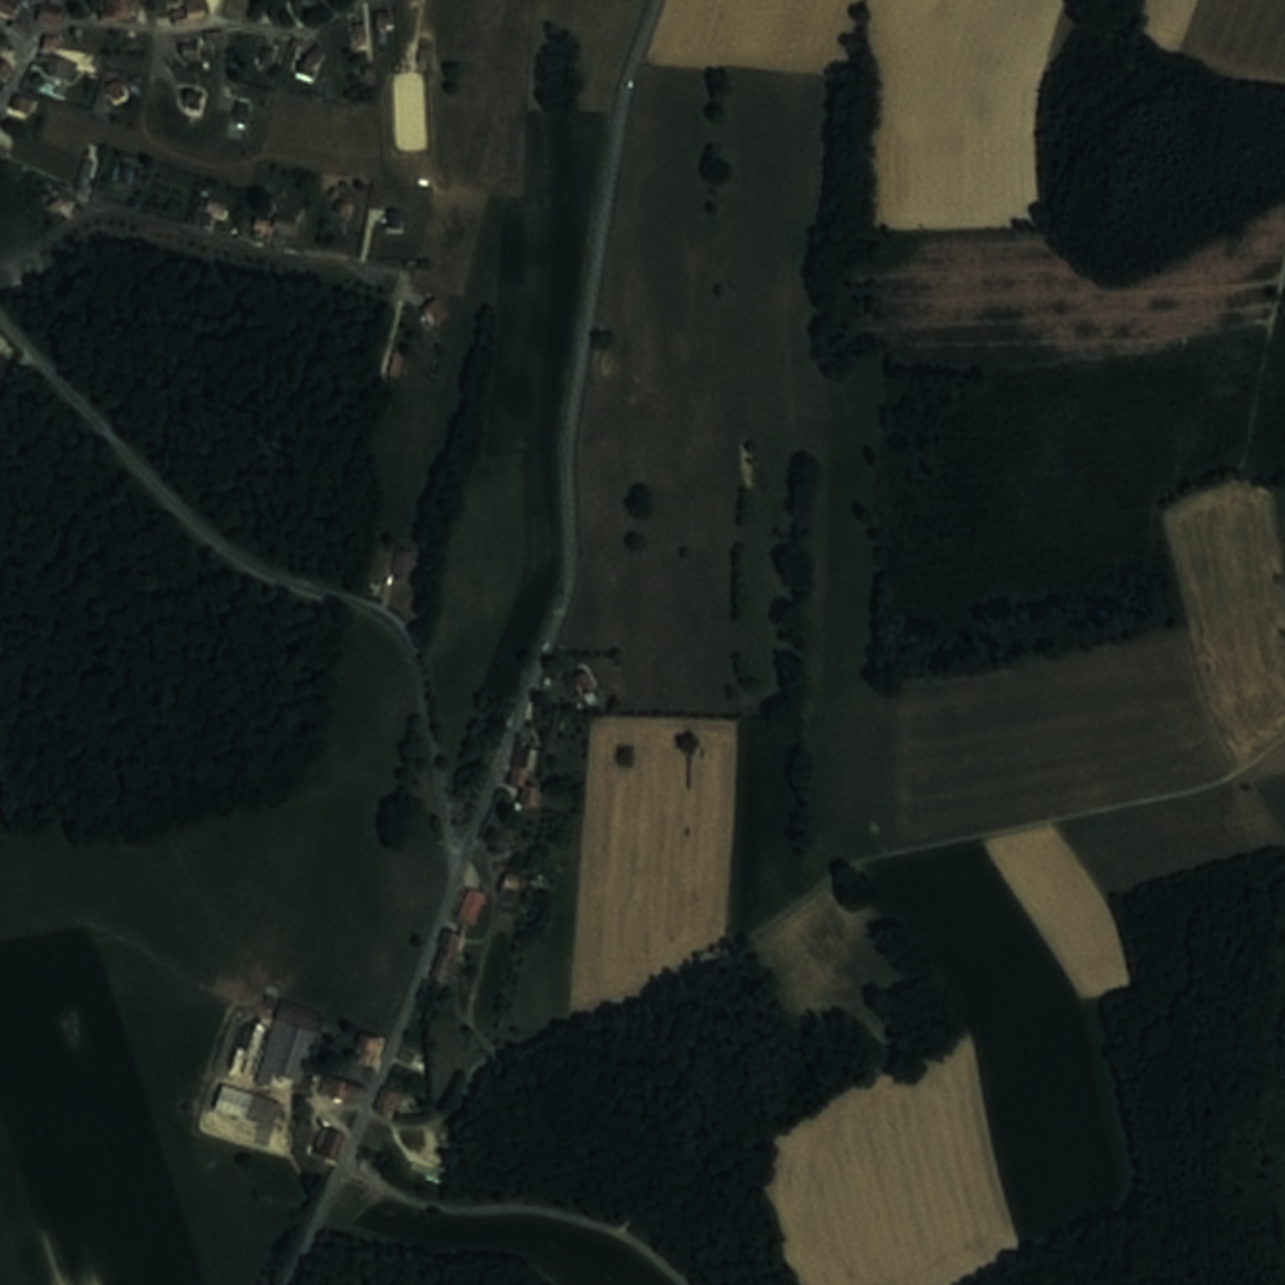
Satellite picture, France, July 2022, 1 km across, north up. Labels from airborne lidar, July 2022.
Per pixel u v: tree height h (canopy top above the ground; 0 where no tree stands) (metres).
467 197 0
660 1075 26
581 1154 24
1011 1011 0
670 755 0
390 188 0
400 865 0
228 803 19
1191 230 17
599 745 0
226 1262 0
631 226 0
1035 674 0
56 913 0
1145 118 24
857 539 0
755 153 0
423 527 14
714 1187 26
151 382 27
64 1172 0
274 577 0
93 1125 0
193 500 21
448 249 0
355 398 20
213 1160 0
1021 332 0
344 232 0
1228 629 0
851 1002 0
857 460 0
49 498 26
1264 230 0
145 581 31
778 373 0
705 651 0
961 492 6
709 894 0
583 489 0
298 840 0
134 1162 0
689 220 0
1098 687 0
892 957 24
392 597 0
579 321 0
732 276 0
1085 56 9
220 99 0
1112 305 0
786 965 0
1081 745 0
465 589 0
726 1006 32
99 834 30
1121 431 0
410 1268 18
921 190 0
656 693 0
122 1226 0
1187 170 17
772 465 0
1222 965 20
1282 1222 17
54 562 24
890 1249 0
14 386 19
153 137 0
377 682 0
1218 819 0
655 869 0
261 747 24
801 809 15
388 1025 0
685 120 0
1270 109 18
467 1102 13
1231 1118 13
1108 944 0
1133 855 0
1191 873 6
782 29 0
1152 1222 27
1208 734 0
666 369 0
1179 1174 20
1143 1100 19
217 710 27
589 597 0
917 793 0
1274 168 17
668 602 0
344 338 25
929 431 7
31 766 24
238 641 27
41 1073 0
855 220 25
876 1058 28
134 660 29
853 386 0
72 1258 0
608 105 0
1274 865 8
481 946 0
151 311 26
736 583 9
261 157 0
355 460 22
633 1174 21
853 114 26
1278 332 0
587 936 0
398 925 0
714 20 0
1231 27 0
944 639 35
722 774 0
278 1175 0
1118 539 0
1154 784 0
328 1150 0
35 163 0
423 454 0
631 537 10
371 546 11
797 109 0
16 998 0
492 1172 19
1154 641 0
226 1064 0
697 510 0
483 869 0
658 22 0
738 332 0
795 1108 13
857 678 0
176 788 23
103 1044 0
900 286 0
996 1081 0
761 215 0
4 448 25
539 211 0
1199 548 0
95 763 26
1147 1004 14
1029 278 0
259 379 27
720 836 0
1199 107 18
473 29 0
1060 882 0
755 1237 23
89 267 23
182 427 20
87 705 28
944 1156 0
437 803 0
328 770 0
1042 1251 17
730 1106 25
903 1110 0
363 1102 0
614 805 0
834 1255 0
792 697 19
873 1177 0
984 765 0
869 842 0
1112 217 20
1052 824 0
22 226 0
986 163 0
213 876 0
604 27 0
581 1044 23
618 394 0
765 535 0
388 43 0
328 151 0
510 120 0
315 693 24
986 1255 0
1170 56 12
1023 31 0
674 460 0
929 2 0
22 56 0
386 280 0
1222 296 0
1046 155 7
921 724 0
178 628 28
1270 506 0
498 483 0
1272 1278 14
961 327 0
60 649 28
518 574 0
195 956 0
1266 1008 15
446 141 0
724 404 0
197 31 0
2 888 0
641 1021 23
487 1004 0
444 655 0
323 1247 14
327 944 0
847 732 0
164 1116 0
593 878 0
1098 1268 18
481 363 13
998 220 0
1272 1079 14
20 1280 0
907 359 0
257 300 28
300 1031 0
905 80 0
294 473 23
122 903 0
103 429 0
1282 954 7
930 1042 28
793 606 19
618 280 0
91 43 0
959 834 0
